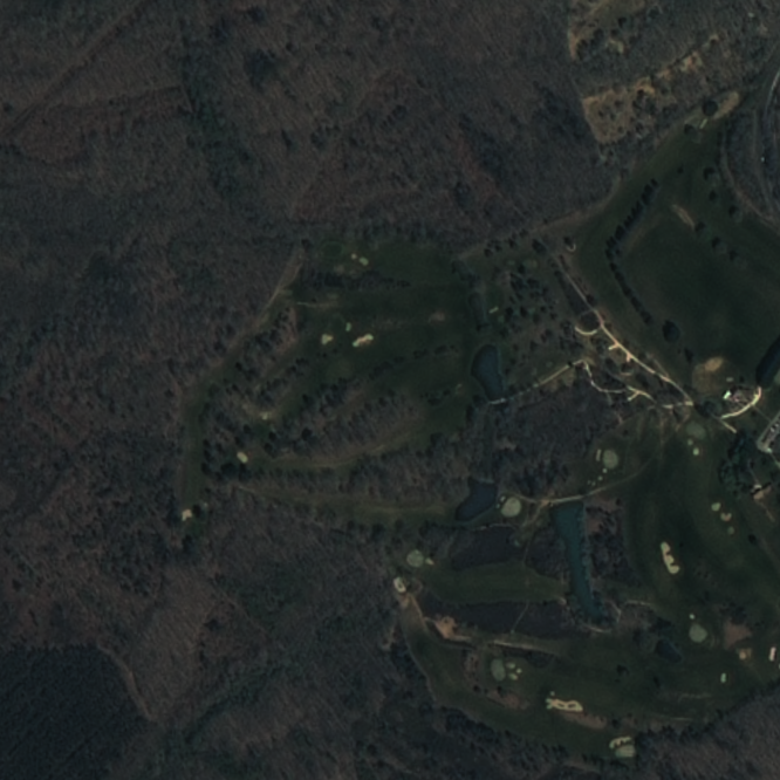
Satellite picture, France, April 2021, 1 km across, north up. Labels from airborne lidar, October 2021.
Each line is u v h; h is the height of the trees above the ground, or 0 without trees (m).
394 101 12
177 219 18
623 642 0
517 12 20
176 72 20
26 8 9
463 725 7
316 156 20
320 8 19
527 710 0
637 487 0
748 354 0
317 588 15
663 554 0
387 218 12
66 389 9
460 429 0
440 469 23
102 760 15
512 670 0
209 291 13
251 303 14
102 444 8
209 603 17
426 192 21
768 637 0
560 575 7
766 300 0
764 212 14
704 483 0
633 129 6
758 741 20
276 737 22
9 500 8
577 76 20
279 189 21
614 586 0
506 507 0
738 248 0
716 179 15
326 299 0
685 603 0
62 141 7
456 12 17
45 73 9
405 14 12
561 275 6
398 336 0
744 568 0
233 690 11
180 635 17
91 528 7
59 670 14
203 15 21
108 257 8
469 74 20
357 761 12
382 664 18
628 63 21
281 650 22
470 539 10
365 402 0
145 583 11
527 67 19
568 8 18
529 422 11
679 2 22
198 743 15
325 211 11
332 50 12
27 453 9
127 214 21
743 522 0
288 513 18
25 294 12
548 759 14
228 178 28
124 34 19
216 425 15
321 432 0
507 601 0
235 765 18
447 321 0
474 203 18
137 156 18
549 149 26
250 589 15
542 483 16
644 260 0
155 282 10
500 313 0
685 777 13
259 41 20
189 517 0
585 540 7
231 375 0
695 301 0
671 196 0
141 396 17
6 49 9
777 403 0
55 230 21
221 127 24
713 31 17
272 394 13
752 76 18
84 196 17
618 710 0
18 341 26
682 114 19
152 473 9
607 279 0
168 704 17
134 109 8
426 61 21
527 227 18
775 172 15
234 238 12
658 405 19
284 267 11
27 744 14
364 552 16
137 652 16
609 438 0
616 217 0
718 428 21
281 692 19
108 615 11
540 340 0
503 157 18
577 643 0
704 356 0
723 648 0
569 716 0
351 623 16
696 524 0
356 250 0
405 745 13
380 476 18
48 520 8
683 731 0
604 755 0
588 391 13
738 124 14
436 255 0
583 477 0
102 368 8
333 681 15
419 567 0
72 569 8
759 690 0
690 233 0
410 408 16
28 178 17
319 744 17
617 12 0
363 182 8
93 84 18
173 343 9
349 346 0
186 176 19
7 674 15
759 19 19
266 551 15
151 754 16
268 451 15
